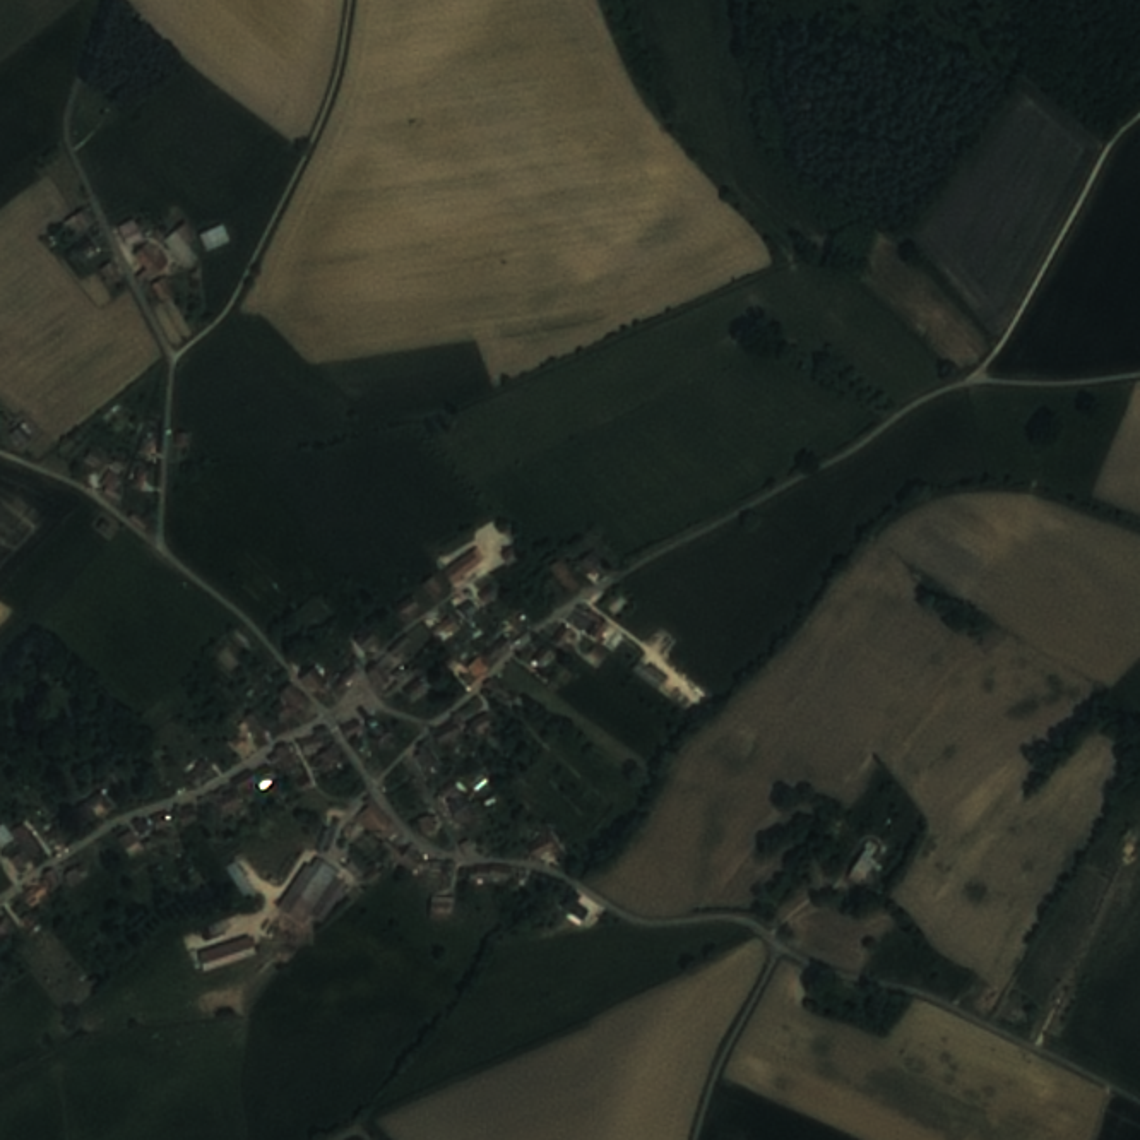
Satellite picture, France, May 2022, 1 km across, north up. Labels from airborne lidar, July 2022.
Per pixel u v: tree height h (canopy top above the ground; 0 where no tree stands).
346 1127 6
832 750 0
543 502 0
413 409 0
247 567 0
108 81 23
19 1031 0
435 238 0
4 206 0
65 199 0
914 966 0
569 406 0
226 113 0
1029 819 0
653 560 0
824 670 0
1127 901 0
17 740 19
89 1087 0
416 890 0
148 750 8
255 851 0
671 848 0
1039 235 0
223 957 0
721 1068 0
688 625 0
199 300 7
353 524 0
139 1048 0
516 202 0
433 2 0
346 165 0
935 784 0
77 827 11
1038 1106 0
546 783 0
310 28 0
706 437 0
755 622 0
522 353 0
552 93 0
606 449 0
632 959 0
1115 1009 0
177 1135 0
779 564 0
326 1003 0
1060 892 11
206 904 32
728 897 0
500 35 0
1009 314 0
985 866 0
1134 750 20
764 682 0
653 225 0
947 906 0
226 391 0
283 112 0
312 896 0
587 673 0
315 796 0
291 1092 0
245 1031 0
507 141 0
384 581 0
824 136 28
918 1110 0
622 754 0
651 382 0
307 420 0
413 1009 0
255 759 0
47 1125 0
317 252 0
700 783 0
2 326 0
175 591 0
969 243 0
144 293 0
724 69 0
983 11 24
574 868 17
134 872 0
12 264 0
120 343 0
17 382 0
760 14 21
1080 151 0
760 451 0
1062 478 0
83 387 0
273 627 7
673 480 0
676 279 0
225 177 0
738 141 0
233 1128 0
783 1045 0
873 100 30
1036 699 0
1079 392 0
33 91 0
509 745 17
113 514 0
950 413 0
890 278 0
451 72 0
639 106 0
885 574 0
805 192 10
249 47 0
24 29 0
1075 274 0
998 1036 0
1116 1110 0
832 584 15
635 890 0
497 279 0
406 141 0
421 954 0
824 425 0
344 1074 0
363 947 0
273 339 0
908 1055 0
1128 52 26
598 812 0
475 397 0
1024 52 25
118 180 0
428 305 0
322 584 0
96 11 0
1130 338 0
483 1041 0
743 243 0
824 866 11
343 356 0
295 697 0
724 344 0
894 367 0
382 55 0
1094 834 9
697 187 0
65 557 0
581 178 0
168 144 0
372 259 0
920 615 0
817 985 22
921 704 0
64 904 6
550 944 0
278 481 0
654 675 0
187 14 0
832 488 0
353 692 0
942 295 0
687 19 0
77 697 17
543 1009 0
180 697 0
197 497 0
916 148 29
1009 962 0
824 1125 0
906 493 12
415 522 0
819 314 0
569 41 0
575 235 0
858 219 17
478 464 0
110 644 0
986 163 0
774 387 0
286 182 0
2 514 0
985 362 0
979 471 0
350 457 0
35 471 0
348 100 0
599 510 0
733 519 0
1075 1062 0
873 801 0
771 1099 0
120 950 14
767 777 0
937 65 28
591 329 0
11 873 0
